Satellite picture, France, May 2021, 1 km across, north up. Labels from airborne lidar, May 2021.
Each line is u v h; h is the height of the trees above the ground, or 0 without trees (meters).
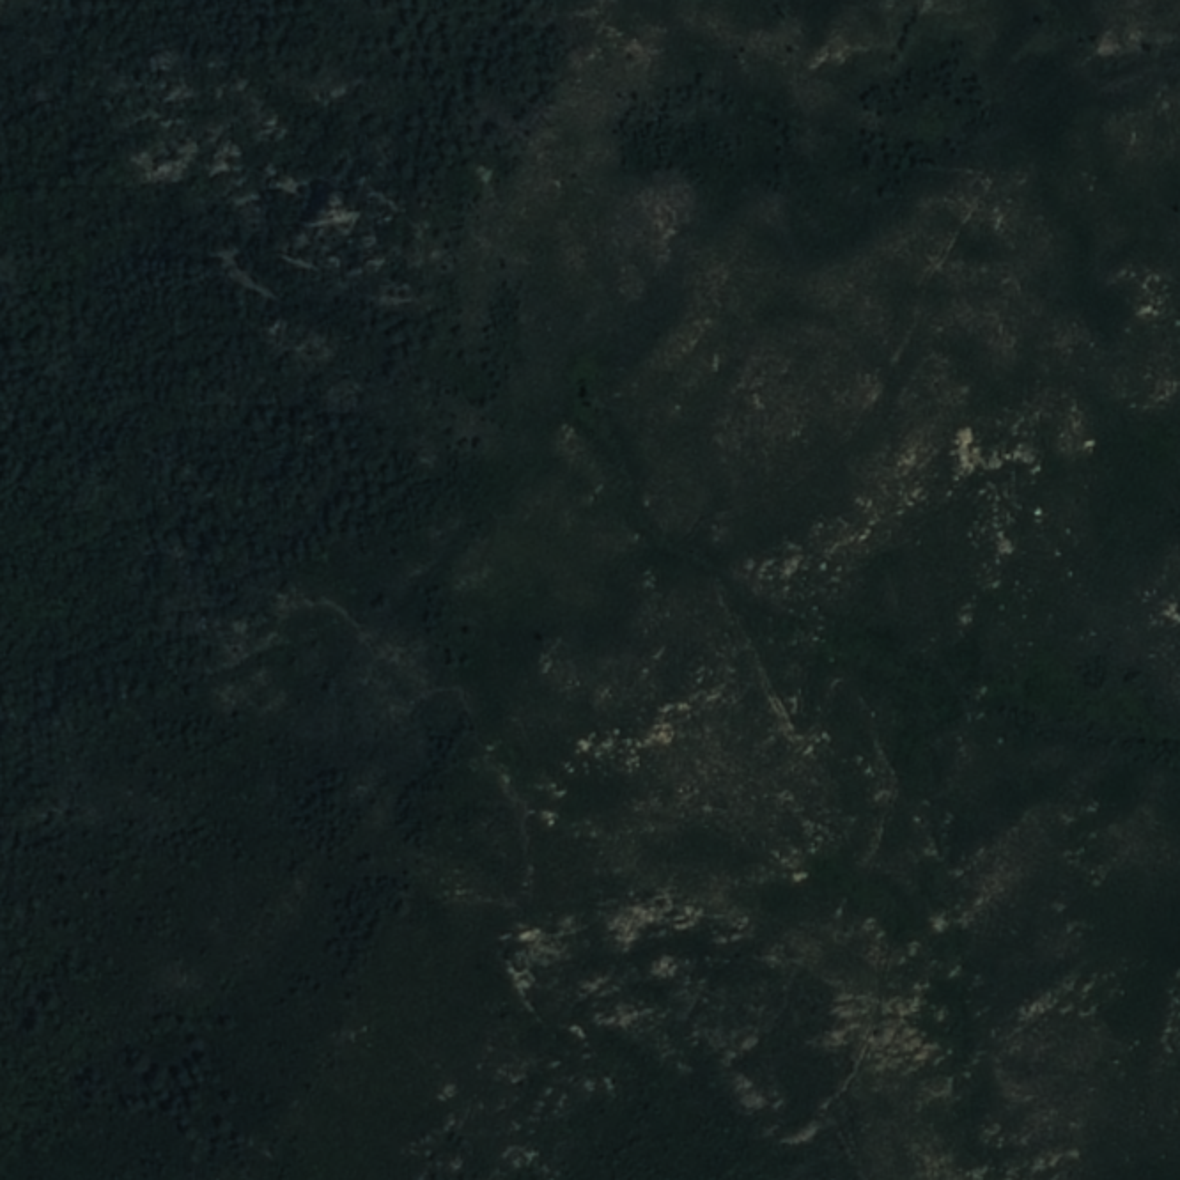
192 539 19
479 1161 6
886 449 0
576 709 0
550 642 20
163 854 6
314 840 9
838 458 0
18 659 13
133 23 13
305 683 6
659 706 0
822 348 0
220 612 7
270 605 6
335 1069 8
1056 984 0
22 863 7
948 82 13
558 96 19
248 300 13
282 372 16
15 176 7
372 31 7
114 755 6
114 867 10
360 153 9
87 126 10
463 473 13
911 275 0
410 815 13
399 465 12
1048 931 0
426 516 8
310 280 12
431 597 11
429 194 9
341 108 9
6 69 6
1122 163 0
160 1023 16
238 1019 6
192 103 10
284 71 13
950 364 0
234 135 8
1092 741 6
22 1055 11
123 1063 6
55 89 9
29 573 15
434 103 7
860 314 0
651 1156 6
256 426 23
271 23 24
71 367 14
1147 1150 0
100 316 8
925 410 0
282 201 16
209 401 11
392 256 7
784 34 0
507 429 13
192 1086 5
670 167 6
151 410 14
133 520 13
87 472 15
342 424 11
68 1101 12
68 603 17
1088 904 0
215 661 8
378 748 5
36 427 11
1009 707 9
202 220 11
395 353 16
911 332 0
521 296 6
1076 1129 0
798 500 0
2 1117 11
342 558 5
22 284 9
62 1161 6
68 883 18
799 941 0
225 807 7
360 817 8
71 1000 6
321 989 11
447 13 16
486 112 23
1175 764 8
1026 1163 0
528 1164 6
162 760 5
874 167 22
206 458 6
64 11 7
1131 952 0
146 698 8
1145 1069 0
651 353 0
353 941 13
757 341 0
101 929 7
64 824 7
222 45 7
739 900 0
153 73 7
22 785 13
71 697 13
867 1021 0
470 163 14
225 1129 18
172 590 9
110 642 15
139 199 17
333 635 6
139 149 6
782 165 6
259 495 9
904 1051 0
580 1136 8
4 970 9
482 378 6
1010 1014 0
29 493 13
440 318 16
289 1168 9
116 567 13
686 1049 7
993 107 5
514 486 6
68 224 6
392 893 14
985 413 0
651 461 0
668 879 0
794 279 0
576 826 0
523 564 0
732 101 12
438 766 10
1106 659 9
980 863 0
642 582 0
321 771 7
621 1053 6
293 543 11
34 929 8
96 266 6
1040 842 0
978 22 0
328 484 17
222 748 14
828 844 0
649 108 11
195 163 7
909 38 11
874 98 17
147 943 7
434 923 6
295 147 15
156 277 23
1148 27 0
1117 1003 0
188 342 16
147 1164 11
